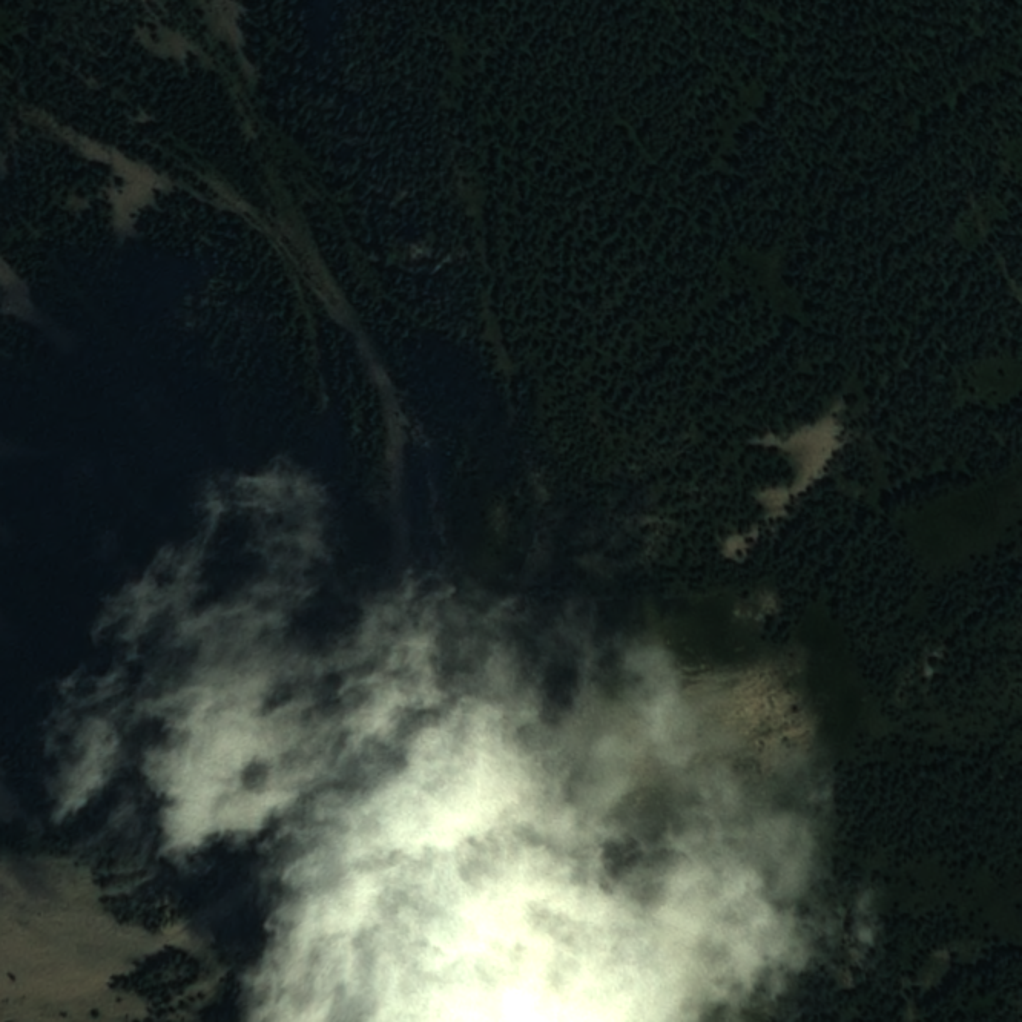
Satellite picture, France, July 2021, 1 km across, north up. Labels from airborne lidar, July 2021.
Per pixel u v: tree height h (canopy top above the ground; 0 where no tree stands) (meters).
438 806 0
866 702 0
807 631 0
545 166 24
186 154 13
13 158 12
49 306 14
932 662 13
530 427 9
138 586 8
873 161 6
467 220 16
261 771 14
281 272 10
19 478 10
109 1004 0
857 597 18
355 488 16
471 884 0
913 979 21
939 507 0
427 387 13
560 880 0
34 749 9
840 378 20
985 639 10
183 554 7
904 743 9
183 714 8
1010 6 30
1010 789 22
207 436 12
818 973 12
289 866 0
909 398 12
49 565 20
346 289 9
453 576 0
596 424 11
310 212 12
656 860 0
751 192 27
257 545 7
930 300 15
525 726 0
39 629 13
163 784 9
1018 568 24
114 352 19
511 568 0
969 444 22
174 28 9
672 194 14
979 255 14
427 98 16
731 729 0
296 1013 0
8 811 0
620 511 8
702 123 19
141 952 0
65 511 18
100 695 6
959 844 12
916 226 22
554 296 17
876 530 26
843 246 24
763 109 10
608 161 23
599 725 0
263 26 8
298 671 7
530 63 23
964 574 13
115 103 10
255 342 11
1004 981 25
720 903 0
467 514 7
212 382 13
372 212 9
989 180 25
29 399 17
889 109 26
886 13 28
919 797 20
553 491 8
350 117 18
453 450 8
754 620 0
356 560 8
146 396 11
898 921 21
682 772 0
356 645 7
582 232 18
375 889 0
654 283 16
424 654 0
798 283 13
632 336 15
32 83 19
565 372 15
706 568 14
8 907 0
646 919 0
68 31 10
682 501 13
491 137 23
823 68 23
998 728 7
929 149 24
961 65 30
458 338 14
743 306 25
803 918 16
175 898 6
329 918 0
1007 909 0
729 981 10
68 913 0
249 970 8
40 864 0
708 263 21
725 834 0
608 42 22
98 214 15
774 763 0
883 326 21
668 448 10
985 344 23
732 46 15
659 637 0
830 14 26
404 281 16
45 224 17
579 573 7
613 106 26
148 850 19
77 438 8
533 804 0
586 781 0
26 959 0
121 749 10
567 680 0
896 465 13
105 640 8
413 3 14
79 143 0
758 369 19
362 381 15
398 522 0
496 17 23
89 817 12
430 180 12
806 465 0
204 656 12
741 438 11
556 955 0
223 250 12
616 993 0
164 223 14
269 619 0
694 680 0
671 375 20
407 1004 0
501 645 0
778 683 0
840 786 14
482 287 13
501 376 11
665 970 0
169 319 10
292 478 7
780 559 16
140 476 15
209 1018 11
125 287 17
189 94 15
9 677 9
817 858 10
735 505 9
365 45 8
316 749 0
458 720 0
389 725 0
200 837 12
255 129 6
